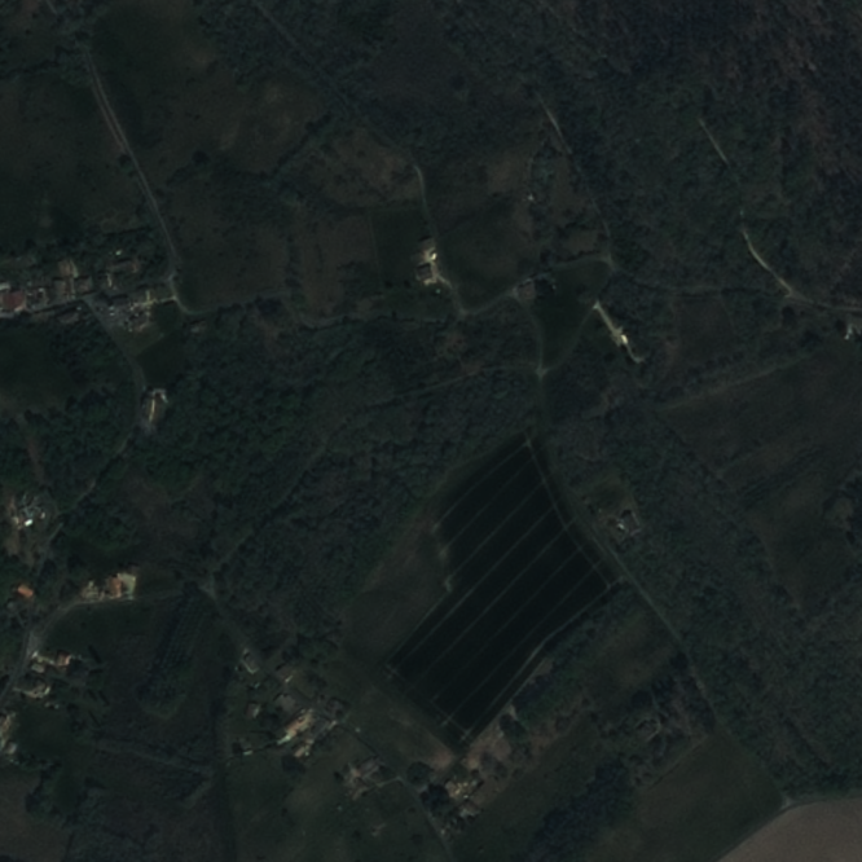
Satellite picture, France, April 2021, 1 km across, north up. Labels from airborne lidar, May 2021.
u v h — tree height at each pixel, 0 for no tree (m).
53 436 13
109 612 0
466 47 22
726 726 9
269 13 17
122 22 0
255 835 0
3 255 14
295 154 7
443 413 11
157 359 0
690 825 0
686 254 16
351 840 0
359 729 0
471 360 8
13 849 0
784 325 10
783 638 18
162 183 0
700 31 19
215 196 0
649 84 13
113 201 0
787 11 18
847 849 0
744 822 0
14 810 0
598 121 21
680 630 13
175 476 21
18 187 0
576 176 14
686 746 17
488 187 0
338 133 8
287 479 18
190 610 20
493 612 0
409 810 0
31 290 0
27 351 0
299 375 17
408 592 0
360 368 14
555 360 0
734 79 6
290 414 25
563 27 11
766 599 15
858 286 9
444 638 0
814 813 0
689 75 20
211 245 0
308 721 0
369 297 9
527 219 0
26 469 22
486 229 0
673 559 17
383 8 19
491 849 0
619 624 16
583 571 0
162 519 8
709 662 20
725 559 14
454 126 12
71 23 18
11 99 0
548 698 24
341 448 16
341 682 0
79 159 0
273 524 21
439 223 0
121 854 13
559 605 0
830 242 15
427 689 0
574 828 24
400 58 14
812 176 17
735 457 8
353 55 8
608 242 14
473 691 0
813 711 20
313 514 13
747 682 22
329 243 0
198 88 0
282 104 0
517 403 14
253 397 14
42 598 19
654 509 15
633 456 16
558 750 0
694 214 17
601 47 22
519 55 19
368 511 7
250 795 0
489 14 17
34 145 0
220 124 0
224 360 10
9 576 24
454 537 0
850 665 18
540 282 8
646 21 20
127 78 0
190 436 19
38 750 0
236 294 0
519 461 0
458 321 11
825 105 8
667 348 13
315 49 12
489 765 16
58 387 0
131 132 0
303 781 26
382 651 0
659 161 21
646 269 15
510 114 22
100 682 9
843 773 18
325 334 7
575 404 6
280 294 0
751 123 18
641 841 0
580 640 14
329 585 13
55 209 0
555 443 9
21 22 0
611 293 10
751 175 12
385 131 20
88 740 10
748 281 14
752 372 14
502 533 0
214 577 0
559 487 0
